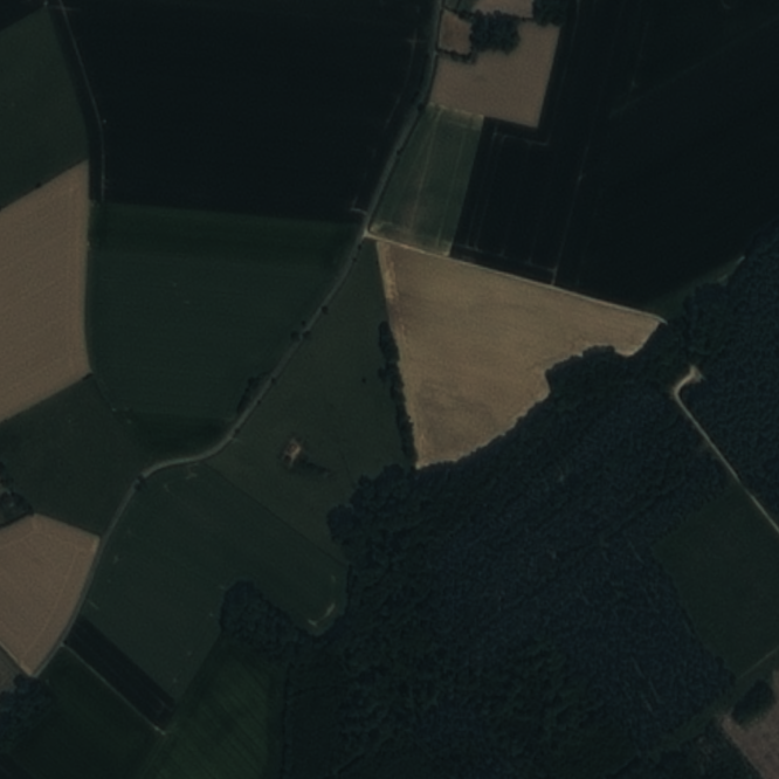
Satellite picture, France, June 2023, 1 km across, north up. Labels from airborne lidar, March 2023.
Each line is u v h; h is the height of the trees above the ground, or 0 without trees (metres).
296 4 0
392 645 25
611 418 24
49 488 0
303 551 0
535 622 22
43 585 0
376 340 0
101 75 0
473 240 0
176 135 0
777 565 0
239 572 0
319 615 0
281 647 17
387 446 0
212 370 0
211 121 0
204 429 0
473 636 22
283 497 0
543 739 18
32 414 0
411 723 22
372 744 30
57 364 0
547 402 10
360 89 0
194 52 0
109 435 0
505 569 21
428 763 12
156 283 0
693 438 21
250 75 0
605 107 0
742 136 0
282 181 0
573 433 17
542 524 22
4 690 0
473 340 0
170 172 0
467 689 22
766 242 18
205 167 0
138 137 0
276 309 0
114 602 0
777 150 0
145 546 0
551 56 0
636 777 20
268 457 0
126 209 0
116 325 0
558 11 10
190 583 0
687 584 0
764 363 30
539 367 0
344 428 0
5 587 0
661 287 0
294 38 0
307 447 0
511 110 0
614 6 0
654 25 0
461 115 0
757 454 24
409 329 0
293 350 0
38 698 19
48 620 0
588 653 24
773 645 0
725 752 13
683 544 0
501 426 0
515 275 0
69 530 0
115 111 0
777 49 0
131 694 0
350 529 26
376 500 23
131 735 0
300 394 0
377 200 0
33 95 0
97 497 0
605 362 19
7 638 0
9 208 0
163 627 0
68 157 0
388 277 0
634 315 0
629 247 0
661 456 24
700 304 14
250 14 0
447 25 0
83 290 0
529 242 0
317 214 0
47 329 0
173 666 0
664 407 20
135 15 0
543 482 24
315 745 7
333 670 8
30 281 0
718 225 0
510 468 23
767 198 0
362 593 21
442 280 0
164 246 0
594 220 0
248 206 0
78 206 0
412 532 29
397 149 0
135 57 0
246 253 0
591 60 0
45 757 0
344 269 0
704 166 0
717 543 0
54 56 0
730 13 0
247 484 0
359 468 0
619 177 0
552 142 0
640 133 0
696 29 0
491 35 22
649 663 28
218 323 0
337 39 0
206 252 0
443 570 24
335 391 0
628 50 0
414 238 0
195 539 0
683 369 18
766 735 29
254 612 25
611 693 27
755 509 0
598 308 0
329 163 0
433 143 0
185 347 0
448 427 0
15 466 0
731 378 30
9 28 0
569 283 0
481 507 21
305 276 0
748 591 0
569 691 26
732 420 26
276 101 0
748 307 30
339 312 0
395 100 0
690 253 0
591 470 20
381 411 0
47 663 0
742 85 0
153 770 0
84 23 0
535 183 0
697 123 0
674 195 0
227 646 0
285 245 0
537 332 0
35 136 0
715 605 0
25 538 0
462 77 0
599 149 0
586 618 28
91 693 0
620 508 20
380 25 0
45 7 0
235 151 0
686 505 22
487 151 0
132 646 0
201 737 0
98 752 0
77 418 0
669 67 0
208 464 0
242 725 0
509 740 23
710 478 23
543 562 22
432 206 0
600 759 9
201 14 0
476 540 23
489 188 0
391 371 14
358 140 0
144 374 0
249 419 0
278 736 0
